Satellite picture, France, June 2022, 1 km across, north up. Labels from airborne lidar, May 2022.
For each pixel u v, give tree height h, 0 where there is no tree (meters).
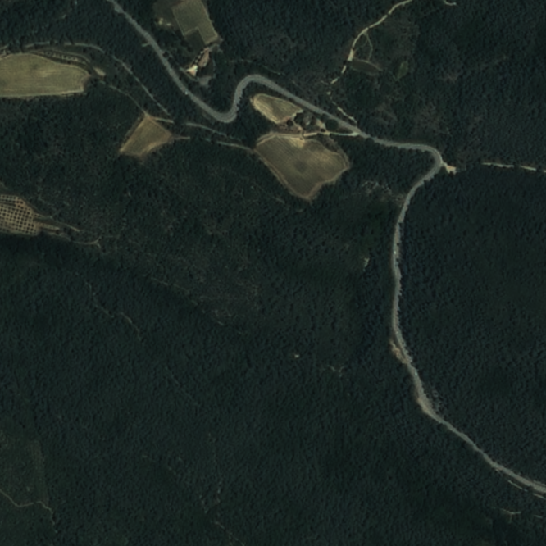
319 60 13
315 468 21
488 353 16
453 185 15
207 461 13
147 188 13
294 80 9
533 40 22
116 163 15
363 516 20
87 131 14
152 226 7
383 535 19
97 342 14
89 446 15
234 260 7
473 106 13
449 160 11
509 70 15
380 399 9
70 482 7
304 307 7
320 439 20
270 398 15
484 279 7
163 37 14
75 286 17
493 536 7
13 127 9
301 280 11
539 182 16
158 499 15
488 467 8
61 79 0
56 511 7
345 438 21
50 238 13
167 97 16
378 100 7
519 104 17
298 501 15
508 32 16
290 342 12
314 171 0
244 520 13
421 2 12
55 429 20
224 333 12
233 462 14
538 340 21
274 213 21
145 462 10
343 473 14
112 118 8
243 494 15
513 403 19
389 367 18
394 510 16
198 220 15
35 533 9
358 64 0
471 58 15
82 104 10
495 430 8
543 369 26
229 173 6
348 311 11
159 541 14
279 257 22
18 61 0
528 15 16
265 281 8
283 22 18
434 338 16
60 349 20
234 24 17
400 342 0
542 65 18
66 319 14
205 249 11
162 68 14
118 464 14
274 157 0
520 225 12
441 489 15
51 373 16
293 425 20
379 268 18
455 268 9
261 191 7
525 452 23
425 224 8
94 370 16
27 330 16
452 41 12
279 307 6
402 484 16
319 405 17
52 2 8
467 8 17
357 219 12
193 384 19
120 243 9
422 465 22
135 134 0
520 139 11
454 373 16
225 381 17
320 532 15
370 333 9
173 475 11
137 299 14
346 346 9
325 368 7
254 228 5
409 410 10
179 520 10
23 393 8
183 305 17
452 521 14
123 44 16
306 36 16
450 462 18
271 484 12
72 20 16
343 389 7
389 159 15
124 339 15
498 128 10
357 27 15
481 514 6
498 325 9
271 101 0
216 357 15
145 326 16
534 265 7
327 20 17
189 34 0
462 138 13
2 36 12
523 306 8
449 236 7
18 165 6
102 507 6
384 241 19
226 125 13
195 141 11
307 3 19
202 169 9
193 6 0
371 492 16
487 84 14
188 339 9
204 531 11
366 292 8
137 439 15
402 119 11
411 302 8
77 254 11
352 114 10
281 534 8
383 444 6
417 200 9
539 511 8
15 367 17
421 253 13
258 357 15
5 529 8
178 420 16
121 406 15
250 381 17
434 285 19
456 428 16
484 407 16
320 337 7
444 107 14
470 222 16
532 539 8
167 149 6
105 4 18
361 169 7
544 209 13
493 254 9
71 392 11
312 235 22
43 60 0
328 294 20
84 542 8
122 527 12
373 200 6
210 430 13
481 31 11
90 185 10
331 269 8
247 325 12
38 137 14
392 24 0
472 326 12
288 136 0
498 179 17
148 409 15
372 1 21
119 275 14
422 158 19
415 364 16
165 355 19
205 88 10
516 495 17
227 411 19
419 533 18
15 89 0
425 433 20
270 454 16
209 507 16
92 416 12
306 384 19
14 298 10
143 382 13
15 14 10
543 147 15
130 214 9
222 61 14
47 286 14
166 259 7
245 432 15
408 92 7
